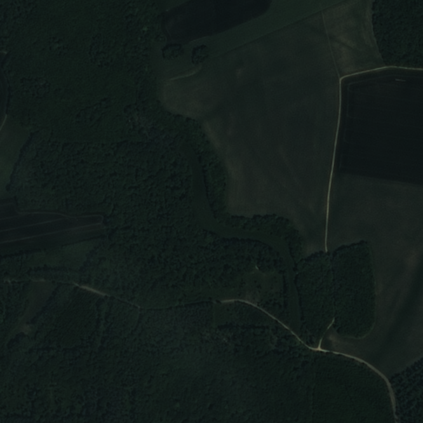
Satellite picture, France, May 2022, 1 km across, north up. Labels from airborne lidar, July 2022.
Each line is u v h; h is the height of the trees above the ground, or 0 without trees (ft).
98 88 48
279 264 75
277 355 78
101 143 43
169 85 0
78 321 21
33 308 0
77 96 47
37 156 85
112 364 54
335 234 0
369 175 0
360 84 0
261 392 63
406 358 0
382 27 49
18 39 46
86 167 70
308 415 70
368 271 43
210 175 64
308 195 0
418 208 0
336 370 20
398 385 47
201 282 55
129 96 52
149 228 56
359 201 0
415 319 0
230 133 0
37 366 89
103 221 0
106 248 71
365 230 0
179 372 71
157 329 55
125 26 43
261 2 0
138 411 72
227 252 75
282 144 0
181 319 65
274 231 62
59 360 70
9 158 0
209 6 0
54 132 59
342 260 50
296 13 0
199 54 51
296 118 0
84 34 42
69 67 54
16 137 0
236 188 0
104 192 56
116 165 63
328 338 0
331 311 47
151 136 47
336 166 0
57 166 74
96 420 74
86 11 53
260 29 0
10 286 75
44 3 54
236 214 0
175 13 0
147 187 55
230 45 0
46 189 72
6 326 71
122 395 81
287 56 0
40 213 0
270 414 87
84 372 66
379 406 27
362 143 0
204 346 44
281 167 0
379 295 0
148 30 66
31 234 0
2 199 0
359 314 51
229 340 65
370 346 0
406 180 0
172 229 75
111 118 52
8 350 68
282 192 0
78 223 0
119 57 54
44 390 76
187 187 73
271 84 0
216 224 0
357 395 36
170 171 70
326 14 0
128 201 58
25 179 75
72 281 42
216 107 0
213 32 0
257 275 0
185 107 0
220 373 58
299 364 62
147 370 68
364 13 0
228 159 0
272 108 0
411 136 0
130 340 54
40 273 0
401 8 62
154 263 69
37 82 81
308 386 79
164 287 57
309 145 0
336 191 0
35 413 73
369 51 0
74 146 67
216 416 92
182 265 64
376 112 0
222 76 0
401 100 0
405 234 0
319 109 0
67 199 58
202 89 0
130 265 65
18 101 57
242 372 80
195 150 57
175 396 72
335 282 61
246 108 0
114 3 55
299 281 55
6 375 88
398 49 57
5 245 0
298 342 30
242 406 65
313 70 0
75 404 21
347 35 0
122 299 39
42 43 55
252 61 0
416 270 0
